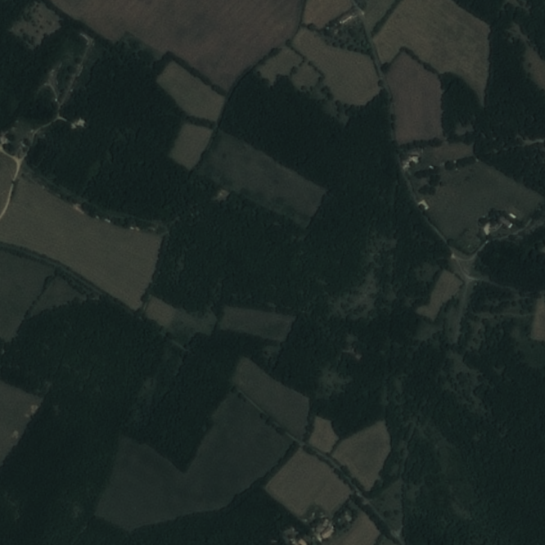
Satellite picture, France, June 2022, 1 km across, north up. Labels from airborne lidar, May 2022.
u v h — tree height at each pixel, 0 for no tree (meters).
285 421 0
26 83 9
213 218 12
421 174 12
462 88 15
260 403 0
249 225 14
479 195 0
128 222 11
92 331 9
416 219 14
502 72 12
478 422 13
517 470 13
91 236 0
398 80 0
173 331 0
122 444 0
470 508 8
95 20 0
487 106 11
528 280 12
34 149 8
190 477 0
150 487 0
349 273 12
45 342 8
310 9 0
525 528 13
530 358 0
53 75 0
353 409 11
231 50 0
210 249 12
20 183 0
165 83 0
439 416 8
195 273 10
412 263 14
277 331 0
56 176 11
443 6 0
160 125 12
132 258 0
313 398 11
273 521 15
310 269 9
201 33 0
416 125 0
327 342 9
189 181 13
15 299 0
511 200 0
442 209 0
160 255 11
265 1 0
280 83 15
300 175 10
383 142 14
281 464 7
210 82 8
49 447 11
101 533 9
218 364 14
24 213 0
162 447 11
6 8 10
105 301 14
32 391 8
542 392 13
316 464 0
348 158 14
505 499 13
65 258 0
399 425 6
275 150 12
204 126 12
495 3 15
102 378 9
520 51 12
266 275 12
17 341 9
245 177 0
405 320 10
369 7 0
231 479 0
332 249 9
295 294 9
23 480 10
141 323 12
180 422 13
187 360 17
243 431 0
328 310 8
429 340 8
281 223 15
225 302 13
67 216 0
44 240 0
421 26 0
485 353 12
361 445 0
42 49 9
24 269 0
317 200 0
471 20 0
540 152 10
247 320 0
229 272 14
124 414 13
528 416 13
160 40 0
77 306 10
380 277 11
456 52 0
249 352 13
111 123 11
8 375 8
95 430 12
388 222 11
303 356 11
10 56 10
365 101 0
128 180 12
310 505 0
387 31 0
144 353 9
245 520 15
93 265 0
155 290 11
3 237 0
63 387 7
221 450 0
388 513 6
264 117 15
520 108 14
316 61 0
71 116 8
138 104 13
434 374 10
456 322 0
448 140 7
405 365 12
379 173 12
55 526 6
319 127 14
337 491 0
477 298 9
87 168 12
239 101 15
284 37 0
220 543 13
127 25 0
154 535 11
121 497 0
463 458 8
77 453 13
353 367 14
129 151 11
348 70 0
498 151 9
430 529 10
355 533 0
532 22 13
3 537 9
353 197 12
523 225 8
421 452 9
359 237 9
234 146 0
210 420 9
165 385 8
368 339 10
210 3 0
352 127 16
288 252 12
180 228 11
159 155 10
